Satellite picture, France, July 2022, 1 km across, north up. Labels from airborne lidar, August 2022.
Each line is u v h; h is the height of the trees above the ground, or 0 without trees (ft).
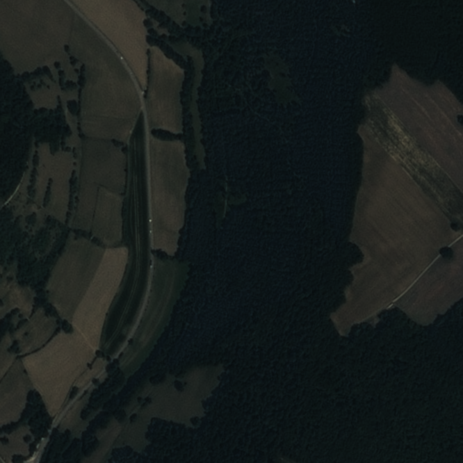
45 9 0
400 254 0
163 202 0
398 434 48
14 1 0
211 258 69
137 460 84
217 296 79
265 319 64
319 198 64
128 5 0
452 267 0
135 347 0
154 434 79
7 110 74
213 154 71
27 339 0
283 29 59
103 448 0
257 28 57
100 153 0
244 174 50
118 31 0
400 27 60
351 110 62
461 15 62
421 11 55
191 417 0
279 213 77
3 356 0
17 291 0
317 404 74
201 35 54
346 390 50
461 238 0
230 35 64
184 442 60
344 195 66
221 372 0
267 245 57
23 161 51
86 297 0
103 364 0
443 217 0
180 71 0
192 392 0
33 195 27
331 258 72
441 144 0
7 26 0
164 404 0
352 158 61
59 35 0
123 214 22
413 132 0
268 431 97
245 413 83
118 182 0
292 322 63
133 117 0
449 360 55
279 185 64
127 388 30
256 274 75
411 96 0
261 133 59
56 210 0
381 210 0
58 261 0
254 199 63
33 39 0
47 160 0
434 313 0
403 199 0
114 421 0
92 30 0
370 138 0
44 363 0
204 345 83
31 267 37
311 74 58
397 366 75
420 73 67
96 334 0
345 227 60
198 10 0
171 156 0
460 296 0
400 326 72
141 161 0
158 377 53
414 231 0
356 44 67
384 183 0
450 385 50
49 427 57
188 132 48
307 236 78
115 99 0
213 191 76
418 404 51
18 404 0
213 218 72
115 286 0
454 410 44
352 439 59
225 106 39
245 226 64
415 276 0
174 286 0
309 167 73
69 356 0
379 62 74
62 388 0
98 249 0
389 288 0
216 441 84
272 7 68
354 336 62
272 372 64
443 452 46
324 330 52
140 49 0
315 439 58
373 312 0
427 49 56
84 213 0
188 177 0
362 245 0
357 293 0
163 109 0
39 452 0
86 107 0
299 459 65
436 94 0
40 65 0
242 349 75
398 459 46
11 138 57
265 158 74
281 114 74
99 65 0
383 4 46
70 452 60
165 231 0
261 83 60
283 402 71
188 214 33
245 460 74
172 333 71
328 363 41
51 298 0
